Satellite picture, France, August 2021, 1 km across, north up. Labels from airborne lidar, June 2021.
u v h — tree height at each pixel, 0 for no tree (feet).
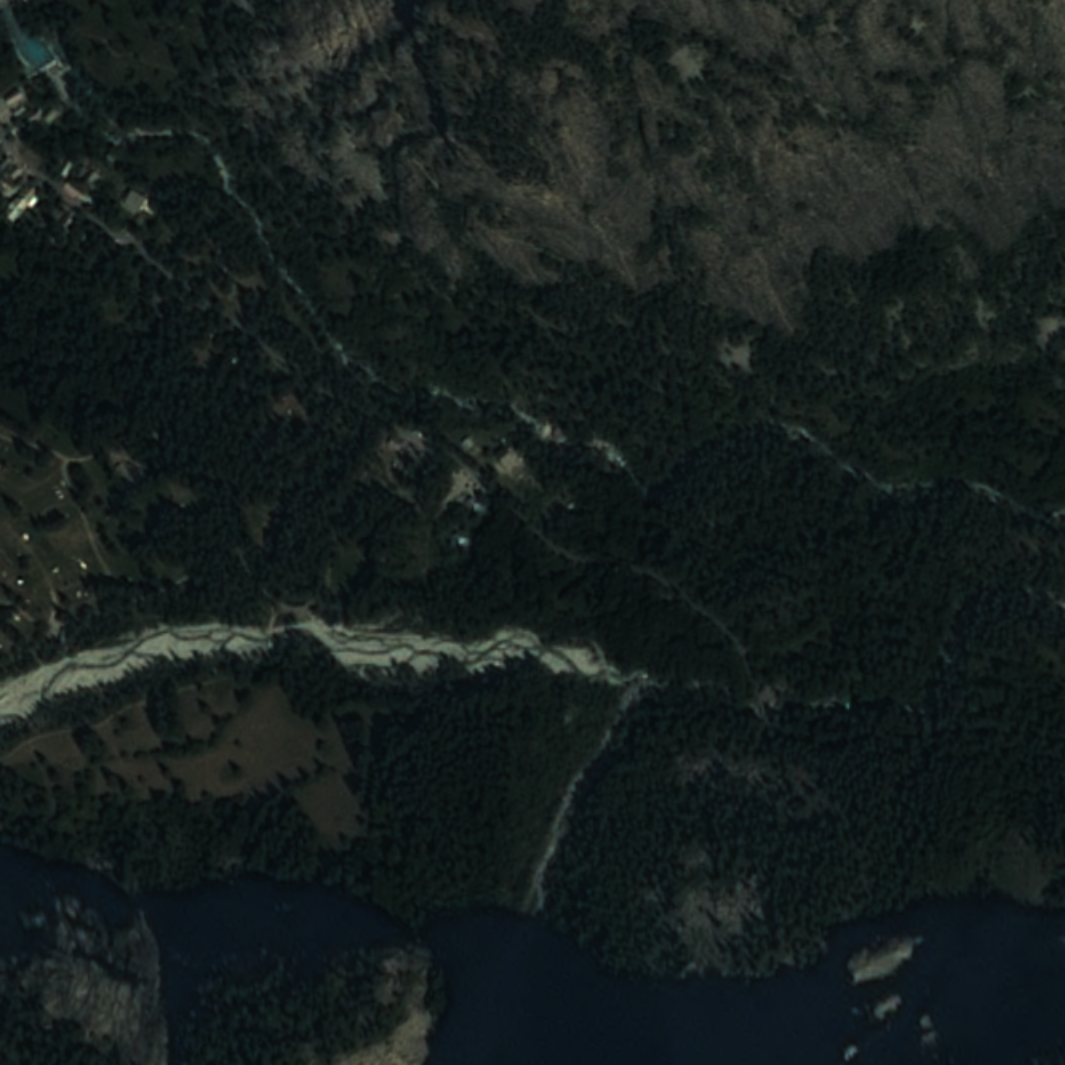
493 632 41
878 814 68
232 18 71
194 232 37
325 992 82
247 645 0
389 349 32
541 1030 48
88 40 0
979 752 47
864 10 0
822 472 88
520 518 37
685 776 26
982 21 20
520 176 35
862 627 43
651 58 76
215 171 28
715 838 30
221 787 0
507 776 31
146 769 0
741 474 50
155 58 0
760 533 48
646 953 37
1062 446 44
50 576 0
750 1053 0
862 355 41
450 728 76
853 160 0
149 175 20
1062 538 69
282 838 71
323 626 0
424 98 0
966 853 39
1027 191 0
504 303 23
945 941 0
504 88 52
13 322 73
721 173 31
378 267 29
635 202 0
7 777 73
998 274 36
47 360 66
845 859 62
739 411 29
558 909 33
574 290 64
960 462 33
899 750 46
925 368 17
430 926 24
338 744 0
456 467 37
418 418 37
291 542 84
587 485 53
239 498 46
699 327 53
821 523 44
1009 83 24
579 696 29
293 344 76
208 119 62
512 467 0
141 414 106
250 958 39
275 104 44
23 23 52
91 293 79
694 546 20
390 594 94
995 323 25
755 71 66
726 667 86
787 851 56
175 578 0
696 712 68
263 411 100
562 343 94
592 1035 75
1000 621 95
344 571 0
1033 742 58
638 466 28
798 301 29
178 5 94
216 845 30
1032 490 41
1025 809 40
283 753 0
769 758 76
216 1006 25
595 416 35
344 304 21
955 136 0
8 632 77
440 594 62
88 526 0
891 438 29
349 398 77
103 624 51
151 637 0
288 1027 38
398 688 23
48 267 35
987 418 37
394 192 40
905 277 69
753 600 45
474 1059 0
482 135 70
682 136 48
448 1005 33
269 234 22
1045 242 24
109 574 0
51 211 35
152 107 57
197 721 0
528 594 38
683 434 41
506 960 0
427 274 19
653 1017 45
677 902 59
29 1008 21
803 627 19
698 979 0
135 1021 0
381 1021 63
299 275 27
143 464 23
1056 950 0
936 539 26
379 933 28
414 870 37
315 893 45
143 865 21
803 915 56
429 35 61
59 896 23
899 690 46
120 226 34
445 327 31
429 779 78
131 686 34
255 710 0
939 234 29
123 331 39
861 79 20
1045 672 22
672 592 26
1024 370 27
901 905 55
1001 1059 33
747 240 0
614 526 57
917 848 68
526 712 28
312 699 77
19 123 35
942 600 73
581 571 19
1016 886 0
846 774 74
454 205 34
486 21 42
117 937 22
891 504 34
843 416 31
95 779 24
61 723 31
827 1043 0
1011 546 86
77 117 36
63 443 0
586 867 42
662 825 49
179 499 0
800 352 64
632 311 63
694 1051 0
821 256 82
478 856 19
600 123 0
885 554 41
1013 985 55
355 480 96
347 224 30
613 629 52
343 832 0
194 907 24
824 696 43
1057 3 0
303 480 86
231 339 41
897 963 0
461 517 55
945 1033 0
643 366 59
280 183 38
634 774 45
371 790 43
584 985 68
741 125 49
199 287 38
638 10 28
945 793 91
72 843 46
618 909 32
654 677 48
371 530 89
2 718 0
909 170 22
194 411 82
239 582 72
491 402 21
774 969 22
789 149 24
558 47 65
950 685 85
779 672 29
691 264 44
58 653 27
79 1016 0
